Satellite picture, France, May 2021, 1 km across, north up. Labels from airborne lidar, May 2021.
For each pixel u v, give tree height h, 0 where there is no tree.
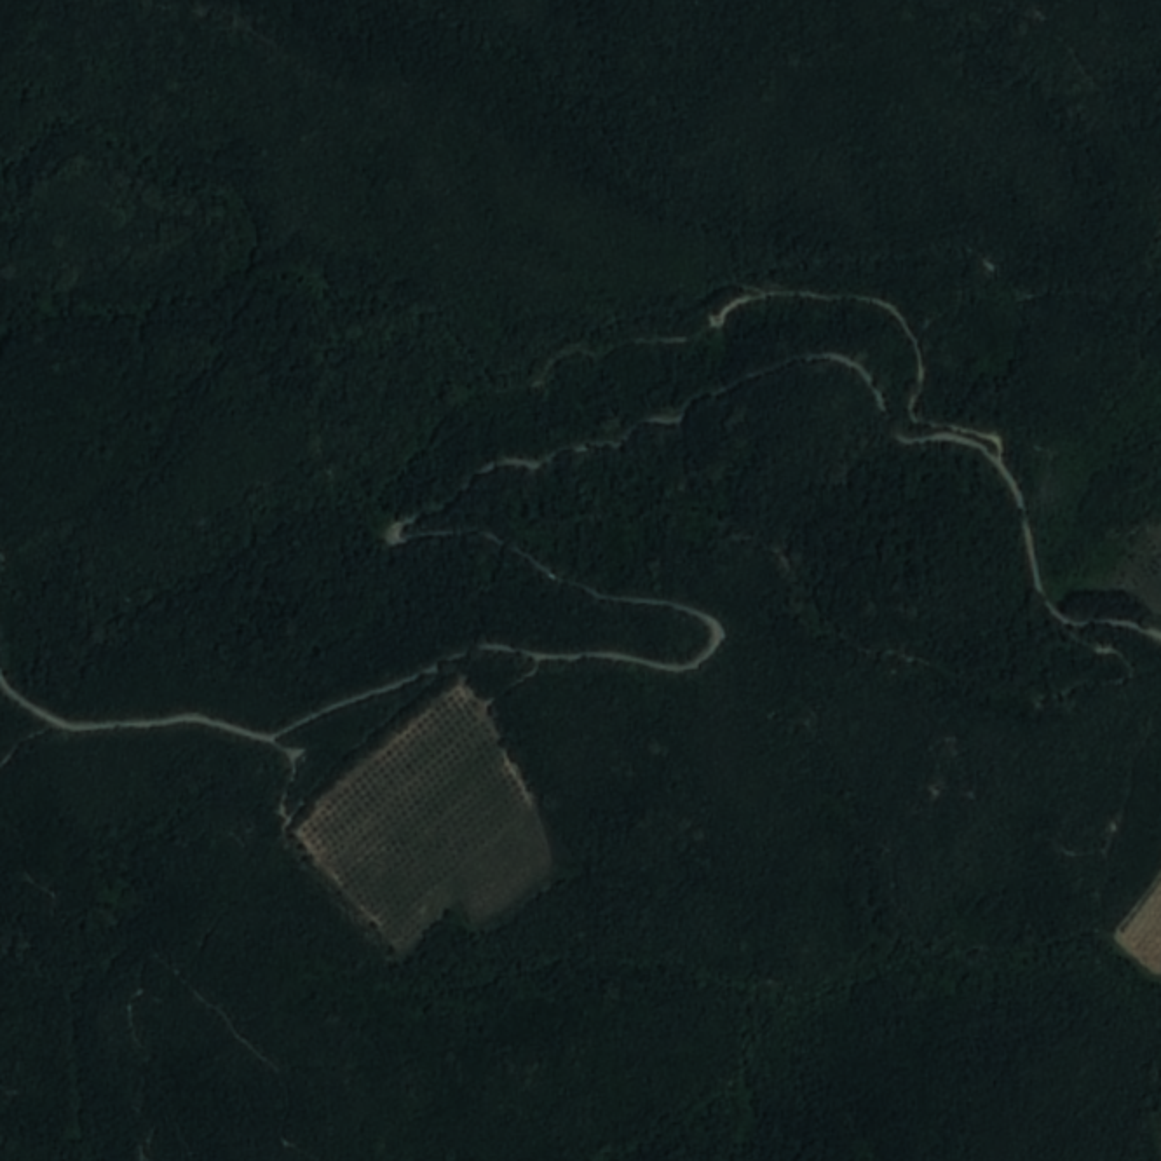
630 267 7
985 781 7
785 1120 9
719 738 6
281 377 10
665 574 7
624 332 12
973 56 11
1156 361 6
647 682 6
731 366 13
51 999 7
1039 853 7
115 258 11
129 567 10
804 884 8
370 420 10
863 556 10
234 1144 7
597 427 6
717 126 6
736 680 6
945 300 6
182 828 8
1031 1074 6
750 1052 8
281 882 8
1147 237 7
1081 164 14
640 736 10
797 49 9
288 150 6
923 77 5
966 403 16
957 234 9
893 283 11
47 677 10
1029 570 8
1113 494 8
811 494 12
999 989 9
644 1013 7
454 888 0
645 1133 8
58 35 12
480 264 8
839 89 7
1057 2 9
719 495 6
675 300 13
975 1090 11
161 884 6
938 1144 8
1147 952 0
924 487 10
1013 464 8
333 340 13
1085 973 7
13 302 9
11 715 8
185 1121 6
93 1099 9
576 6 13
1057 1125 9
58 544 7
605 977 6
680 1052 8
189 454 9
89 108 9
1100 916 10
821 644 9
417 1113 5
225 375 11
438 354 9
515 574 10
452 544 12
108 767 6
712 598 7
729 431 13
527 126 11
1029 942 14
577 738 6
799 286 6
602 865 13
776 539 12
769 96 9
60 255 8
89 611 11
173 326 13
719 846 9
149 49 12
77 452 7
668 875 9
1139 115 10
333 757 7
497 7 8
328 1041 8
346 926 7
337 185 8
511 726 11
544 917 8
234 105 8
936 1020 10
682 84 14
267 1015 7
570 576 9
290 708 9
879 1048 6
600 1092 9
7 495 8
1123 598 23
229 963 7
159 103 12
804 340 11
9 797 6
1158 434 10
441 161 6
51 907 8
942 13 12
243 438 8
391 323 10
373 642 9
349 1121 7
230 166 8
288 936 10
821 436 10
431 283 8
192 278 10
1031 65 11
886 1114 7
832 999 6
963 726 8
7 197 11
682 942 12
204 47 8
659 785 9
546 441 8
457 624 13
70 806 8
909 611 12
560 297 9
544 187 8
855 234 8
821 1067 9
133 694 7
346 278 11
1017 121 10
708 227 11
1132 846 6
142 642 10
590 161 14
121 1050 7
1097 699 9
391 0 15
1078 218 9
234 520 14
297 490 9
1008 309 6
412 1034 8
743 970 7
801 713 8
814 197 8
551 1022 7
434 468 13
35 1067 9
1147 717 7
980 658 13
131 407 10
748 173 8
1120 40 8
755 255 9
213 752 8
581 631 8
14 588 5
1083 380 8
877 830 6
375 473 11
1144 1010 7
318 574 9
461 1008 7
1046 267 12
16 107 19
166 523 9
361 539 16
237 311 13
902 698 9
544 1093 6
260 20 10
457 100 8
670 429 14
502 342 9
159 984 6
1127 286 13
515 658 9
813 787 9
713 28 10
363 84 7
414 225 11
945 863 6
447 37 13
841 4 6
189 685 7
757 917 7
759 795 6
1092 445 7
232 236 14
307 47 8
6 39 19
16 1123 11
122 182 18
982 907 11
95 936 15
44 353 7
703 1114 7
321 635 10
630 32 10
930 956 7
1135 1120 11
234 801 7
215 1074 6
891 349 6
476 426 8
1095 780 9
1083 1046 7
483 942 14
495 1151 8
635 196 11
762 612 7
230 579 8
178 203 13
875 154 10
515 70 10
